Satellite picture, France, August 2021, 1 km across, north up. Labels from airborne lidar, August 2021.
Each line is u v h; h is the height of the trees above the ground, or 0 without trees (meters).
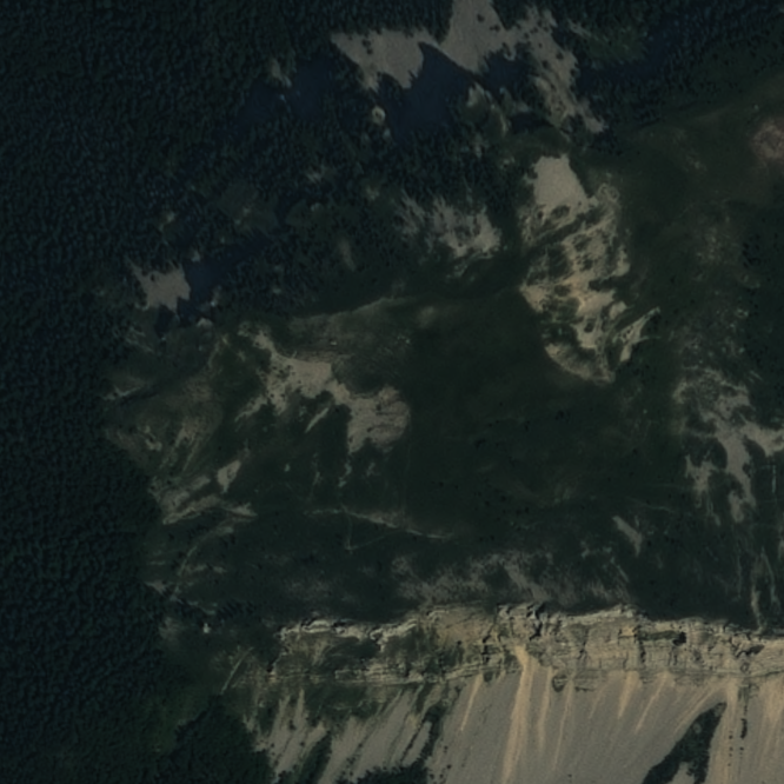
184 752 16
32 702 21
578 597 0
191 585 0
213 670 0
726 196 0
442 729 0
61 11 26
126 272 10
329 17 8
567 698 0
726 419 0
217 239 9
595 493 0
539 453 0
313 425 0
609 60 0
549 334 0
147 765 26
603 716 0
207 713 9
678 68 12
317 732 0
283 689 0
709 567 0
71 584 26
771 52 0
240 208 0
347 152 7
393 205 0
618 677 0
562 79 0
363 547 0
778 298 0
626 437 0
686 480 0
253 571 0
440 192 7
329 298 0
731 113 0
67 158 24
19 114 19
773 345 0
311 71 0
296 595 0
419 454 0
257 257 9
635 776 0
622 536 0
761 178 0
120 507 22
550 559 0
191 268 0
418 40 0
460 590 0
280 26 11
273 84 10
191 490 0
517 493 0
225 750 10
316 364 0
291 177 7
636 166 0
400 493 0
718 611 0
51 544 23
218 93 24
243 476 0
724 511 0
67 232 16
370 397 0
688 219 0
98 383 13
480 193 0
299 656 0
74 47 19
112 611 16
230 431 0
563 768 0
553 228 0
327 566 0
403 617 0
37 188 20
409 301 0
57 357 18
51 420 22
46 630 21
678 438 0
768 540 0
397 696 0
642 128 0
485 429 0
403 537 0
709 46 15
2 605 21
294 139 8
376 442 0
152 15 26
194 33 20
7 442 27
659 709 0
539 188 0
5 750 18
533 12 0
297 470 0
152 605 8
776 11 14
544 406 0
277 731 0
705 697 0
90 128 14
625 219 0
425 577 0
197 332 0
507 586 0
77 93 24
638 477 0
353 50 0
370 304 0
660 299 0
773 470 0
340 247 0
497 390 0
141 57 21
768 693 0
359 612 0
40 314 14
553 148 0
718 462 0
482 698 0
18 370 14
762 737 0
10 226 12
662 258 0
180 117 28
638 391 0
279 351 0
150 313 0
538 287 0
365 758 0
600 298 0
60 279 22
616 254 0
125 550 22
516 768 0
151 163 10
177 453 0
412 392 0
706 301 0
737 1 15
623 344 0
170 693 14
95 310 7
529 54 12
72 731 14
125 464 15
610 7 22
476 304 0
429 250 0
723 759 0
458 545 0
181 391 0
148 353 0
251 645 0
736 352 0
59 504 19
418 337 0
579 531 0
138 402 0
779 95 0
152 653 12
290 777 14
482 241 0
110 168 10
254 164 7
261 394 0
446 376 0
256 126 7
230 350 0
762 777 0
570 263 0
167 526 0
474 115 0
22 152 19
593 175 0
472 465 0
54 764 6
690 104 0
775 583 0
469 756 0
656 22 7
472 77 0
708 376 0
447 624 0
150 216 8
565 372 0
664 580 0
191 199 8
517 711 0
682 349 0
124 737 12
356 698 0
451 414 0
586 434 0
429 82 0
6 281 7
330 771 0
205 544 0
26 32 16
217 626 0
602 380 0
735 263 0
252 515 0
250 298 10
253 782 14
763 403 0
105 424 10
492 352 0
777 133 0
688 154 0
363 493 0
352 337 0
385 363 0
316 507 0
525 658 0
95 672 18
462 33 0
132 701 14
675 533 0
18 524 16
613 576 0
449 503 0
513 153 0
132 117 25
